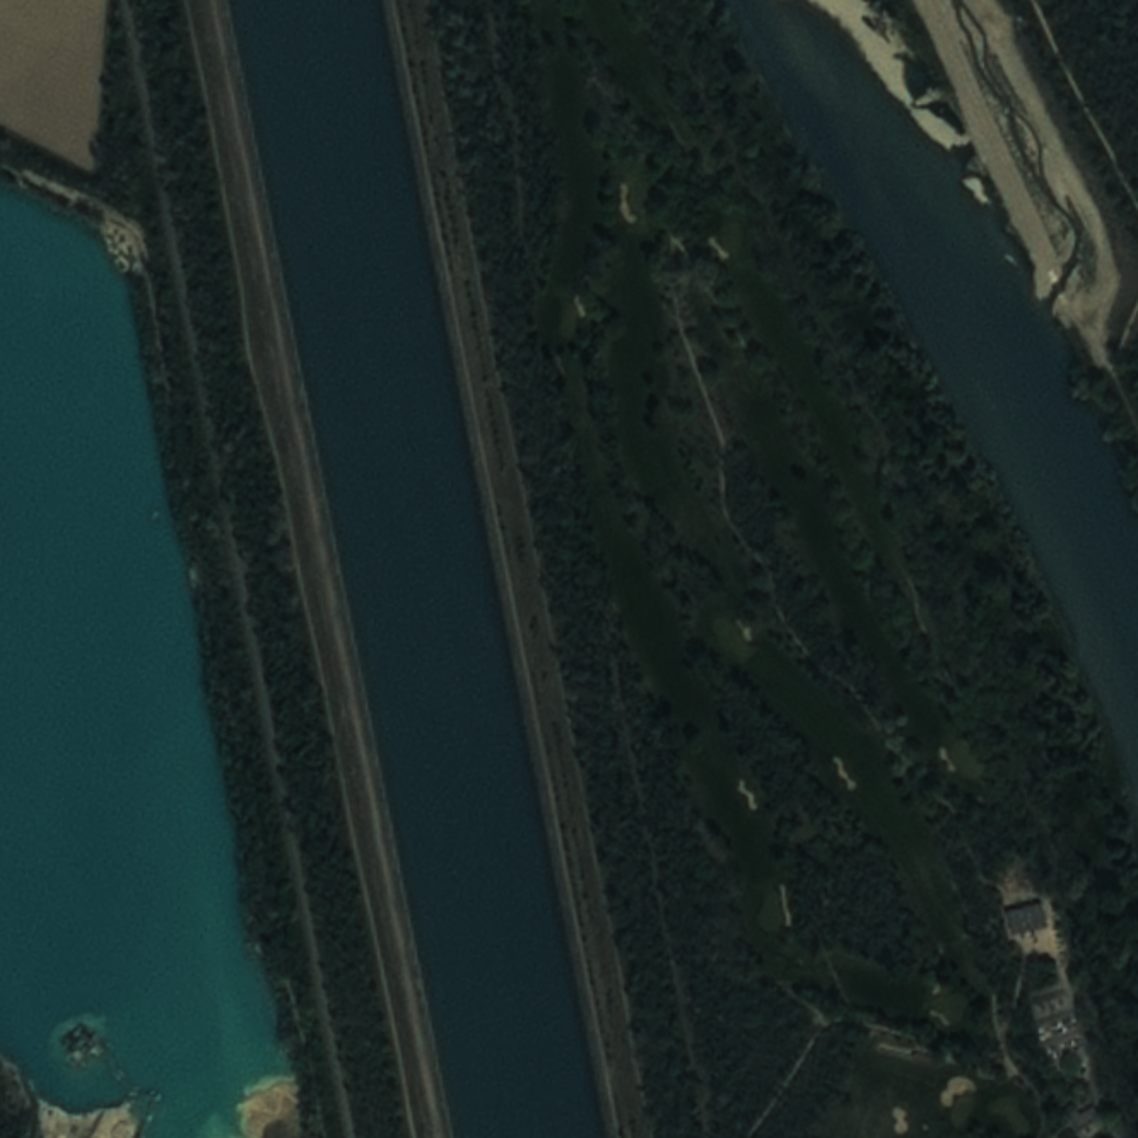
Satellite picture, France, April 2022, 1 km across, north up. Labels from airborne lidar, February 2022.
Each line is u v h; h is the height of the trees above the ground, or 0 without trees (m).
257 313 0
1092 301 0
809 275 15
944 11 0
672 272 15
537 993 0
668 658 0
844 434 0
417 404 0
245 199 0
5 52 0
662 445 0
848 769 0
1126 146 7
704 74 20
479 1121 0
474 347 0
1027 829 17
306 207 0
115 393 0
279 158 0
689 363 0
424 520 0
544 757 0
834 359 14
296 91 0
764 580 17
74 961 0
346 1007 6
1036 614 16
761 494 14
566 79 0
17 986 0
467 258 0
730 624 0
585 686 7
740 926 18
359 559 0
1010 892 0
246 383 15
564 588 7
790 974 0
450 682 0
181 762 0
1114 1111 15
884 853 10
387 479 0
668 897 18
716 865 14
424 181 0
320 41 0
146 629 0
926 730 0
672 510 0
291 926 9
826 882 13
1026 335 0
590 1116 0
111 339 0
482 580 0
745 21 0
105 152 16
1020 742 15
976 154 0
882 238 0
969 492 28
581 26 20
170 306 8
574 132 0
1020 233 0
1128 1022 28
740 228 0
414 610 0
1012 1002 12
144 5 8
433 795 0
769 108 0
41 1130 0
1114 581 0
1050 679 20
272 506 16
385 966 0
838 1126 0
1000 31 0
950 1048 11
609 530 0
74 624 0
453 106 16
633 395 0
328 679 0
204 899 0
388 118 0
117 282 0
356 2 0
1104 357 0
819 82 0
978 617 21
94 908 0
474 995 0
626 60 0
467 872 0
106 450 0
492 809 0
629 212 0
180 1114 0
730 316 15
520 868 0
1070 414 0
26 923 0
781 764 15
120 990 0
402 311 0
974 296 0
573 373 0
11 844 0
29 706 0
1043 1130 0
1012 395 0
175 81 11
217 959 0
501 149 13
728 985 10
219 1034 0
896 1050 0
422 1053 0
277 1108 0
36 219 0
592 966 0
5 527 0
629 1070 0
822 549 0
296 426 0
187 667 0
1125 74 7
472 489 0
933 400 14
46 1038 0
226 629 9
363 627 0
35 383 0
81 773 0
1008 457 0
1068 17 11
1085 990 11
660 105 0
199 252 12
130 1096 0
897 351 20
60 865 0
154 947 0
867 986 0
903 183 0
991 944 14
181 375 11
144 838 0
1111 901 26
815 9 0
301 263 0
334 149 0
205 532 7
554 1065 0
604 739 6
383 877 0
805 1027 9
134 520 0
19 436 0
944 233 0
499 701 0
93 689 0
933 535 15
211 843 0
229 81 0
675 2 22
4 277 0
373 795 0
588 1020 0
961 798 13
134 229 0
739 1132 13
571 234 0
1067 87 8
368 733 0
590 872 0
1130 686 0
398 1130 12
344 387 0
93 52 0
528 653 0
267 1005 0
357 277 0
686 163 8
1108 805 22
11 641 0
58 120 0
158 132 13
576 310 0
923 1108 0
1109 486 0
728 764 0
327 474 0
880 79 0
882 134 0
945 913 0
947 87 0
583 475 18
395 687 0
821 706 0
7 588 0
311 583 0
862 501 0
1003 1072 18
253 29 0
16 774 0
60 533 0
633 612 0
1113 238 0
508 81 17
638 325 0
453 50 12
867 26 0
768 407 0
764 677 0
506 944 0
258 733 17
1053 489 0
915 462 20
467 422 0
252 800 18
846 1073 13
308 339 0
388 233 0
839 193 0
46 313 0
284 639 18
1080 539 0
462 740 0
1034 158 0
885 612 18
